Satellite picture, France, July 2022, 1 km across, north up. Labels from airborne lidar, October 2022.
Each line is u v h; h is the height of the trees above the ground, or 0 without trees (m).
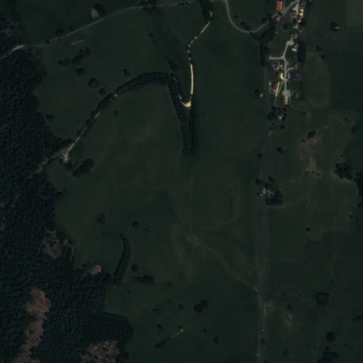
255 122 0
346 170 13
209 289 0
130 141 0
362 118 0
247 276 0
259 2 0
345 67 0
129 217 0
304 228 0
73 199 0
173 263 0
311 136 16
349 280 0
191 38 0
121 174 0
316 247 0
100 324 27
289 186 0
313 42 0
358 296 0
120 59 0
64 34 23
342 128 0
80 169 11
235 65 0
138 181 0
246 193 0
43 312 0
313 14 0
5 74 17
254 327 0
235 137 0
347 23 0
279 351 0
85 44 0
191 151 18
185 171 0
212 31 0
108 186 0
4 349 18
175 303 0
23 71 24
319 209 0
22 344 15
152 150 0
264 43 19
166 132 0
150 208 0
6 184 20
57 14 0
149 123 0
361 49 0
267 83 0
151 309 0
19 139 19
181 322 0
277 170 0
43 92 0
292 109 0
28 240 15
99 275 14
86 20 0
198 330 0
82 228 0
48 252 0
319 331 0
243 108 0
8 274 21
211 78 0
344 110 0
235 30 0
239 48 0
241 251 0
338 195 0
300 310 0
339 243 0
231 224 0
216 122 0
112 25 0
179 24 0
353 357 0
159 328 10
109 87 0
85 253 0
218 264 0
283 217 0
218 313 0
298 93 0
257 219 0
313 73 0
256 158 0
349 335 0
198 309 17
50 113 0
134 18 0
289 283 0
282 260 0
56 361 24
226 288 0
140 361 0
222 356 0
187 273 0
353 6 0
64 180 0
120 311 0
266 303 0
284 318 0
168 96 0
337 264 0
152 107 0
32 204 27
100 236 0
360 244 0
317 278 0
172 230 0
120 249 0
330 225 0
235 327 0
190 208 0
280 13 13
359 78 0
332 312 0
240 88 0
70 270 15
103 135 0
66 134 0
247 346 0
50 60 0
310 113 0
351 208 0
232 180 0
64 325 30
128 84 17
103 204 0
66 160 0
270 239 0
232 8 0
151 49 0
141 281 12
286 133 0
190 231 0
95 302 30
